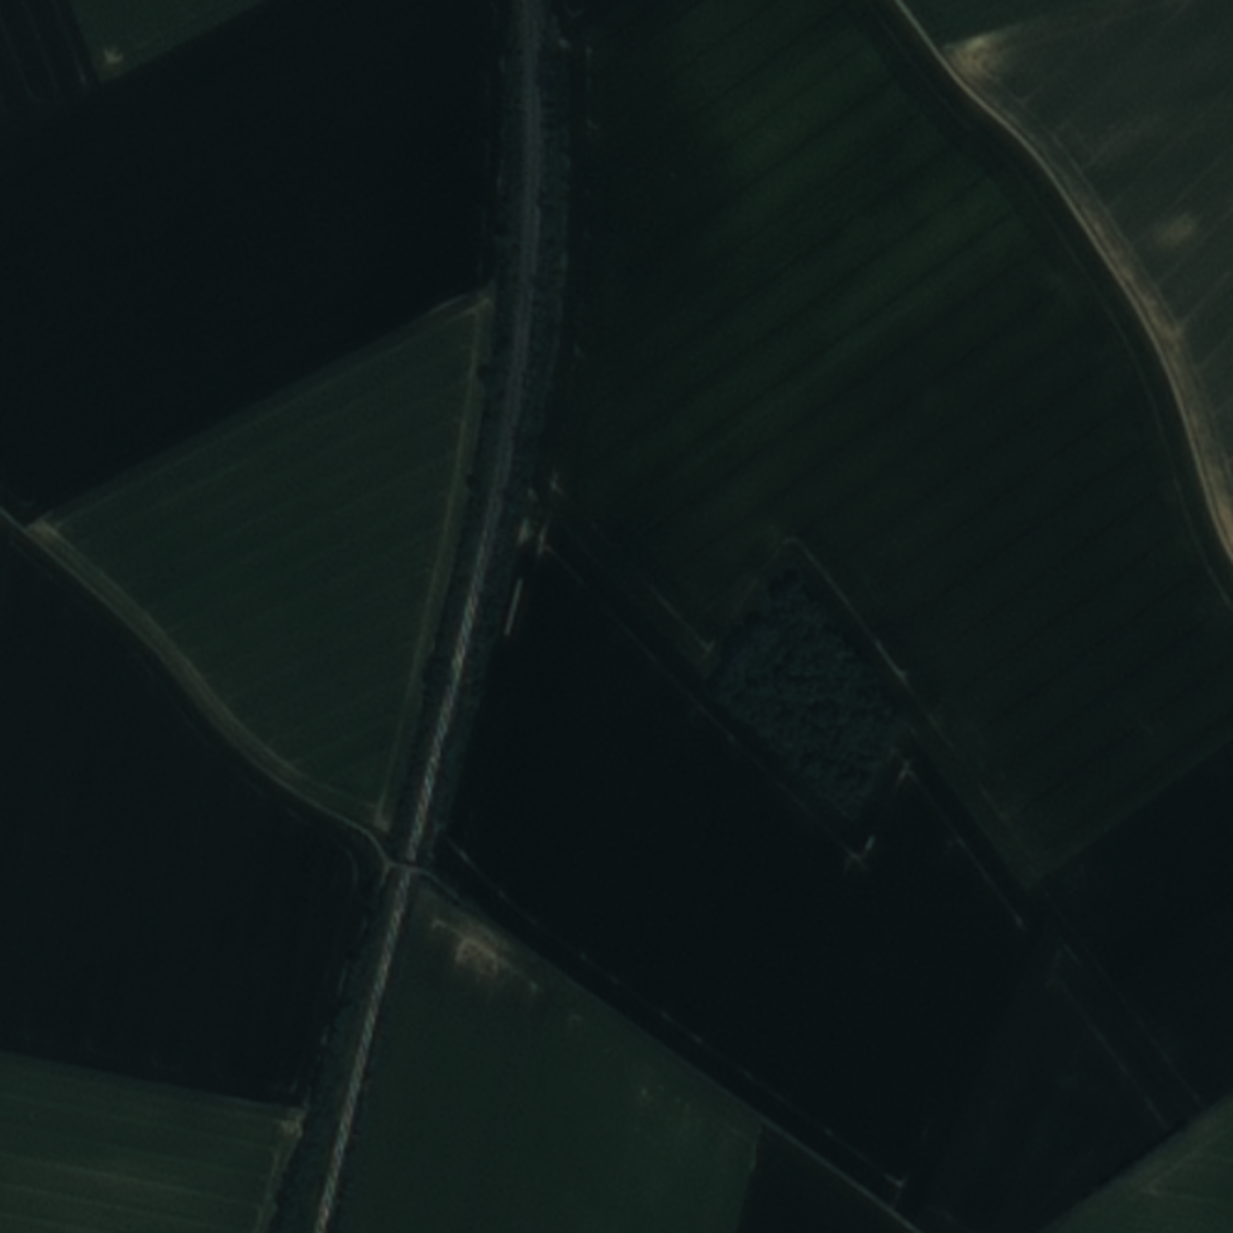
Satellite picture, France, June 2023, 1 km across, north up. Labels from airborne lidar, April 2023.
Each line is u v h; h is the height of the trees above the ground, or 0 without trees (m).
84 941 0
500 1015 0
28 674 0
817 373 0
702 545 0
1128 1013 0
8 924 0
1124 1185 0
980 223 0
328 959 0
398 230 0
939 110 0
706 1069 0
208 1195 0
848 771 17
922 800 0
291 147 0
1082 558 0
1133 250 0
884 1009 0
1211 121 0
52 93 0
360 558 0
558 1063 0
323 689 0
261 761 0
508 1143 0
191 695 0
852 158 0
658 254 0
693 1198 0
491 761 0
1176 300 0
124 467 0
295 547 0
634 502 0
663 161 0
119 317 0
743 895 0
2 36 0
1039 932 0
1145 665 0
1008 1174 0
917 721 0
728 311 0
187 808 0
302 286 0
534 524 0
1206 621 0
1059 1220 0
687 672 0
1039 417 0
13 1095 0
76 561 0
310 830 0
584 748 0
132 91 0
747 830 0
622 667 0
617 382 0
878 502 0
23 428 0
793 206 0
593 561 0
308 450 0
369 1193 0
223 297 0
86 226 0
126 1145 0
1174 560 0
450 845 0
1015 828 0
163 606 0
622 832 0
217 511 0
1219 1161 0
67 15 0
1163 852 0
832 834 0
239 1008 0
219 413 0
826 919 0
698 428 0
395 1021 0
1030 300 0
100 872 0
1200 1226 0
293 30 0
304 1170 13
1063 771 0
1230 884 0
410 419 0
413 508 0
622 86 0
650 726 0
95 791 0
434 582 0
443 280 0
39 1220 0
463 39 0
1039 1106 0
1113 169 0
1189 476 0
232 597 0
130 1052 0
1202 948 0
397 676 0
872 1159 0
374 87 0
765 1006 0
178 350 0
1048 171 0
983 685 0
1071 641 0
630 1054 0
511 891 0
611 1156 0
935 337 0
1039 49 0
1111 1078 0
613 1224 0
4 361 0
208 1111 0
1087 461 0
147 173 0
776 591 17
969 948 0
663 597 0
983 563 0
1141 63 0
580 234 0
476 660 6
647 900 0
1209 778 0
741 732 0
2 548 0
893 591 0
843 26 0
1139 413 0
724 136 0
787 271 0
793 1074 0
